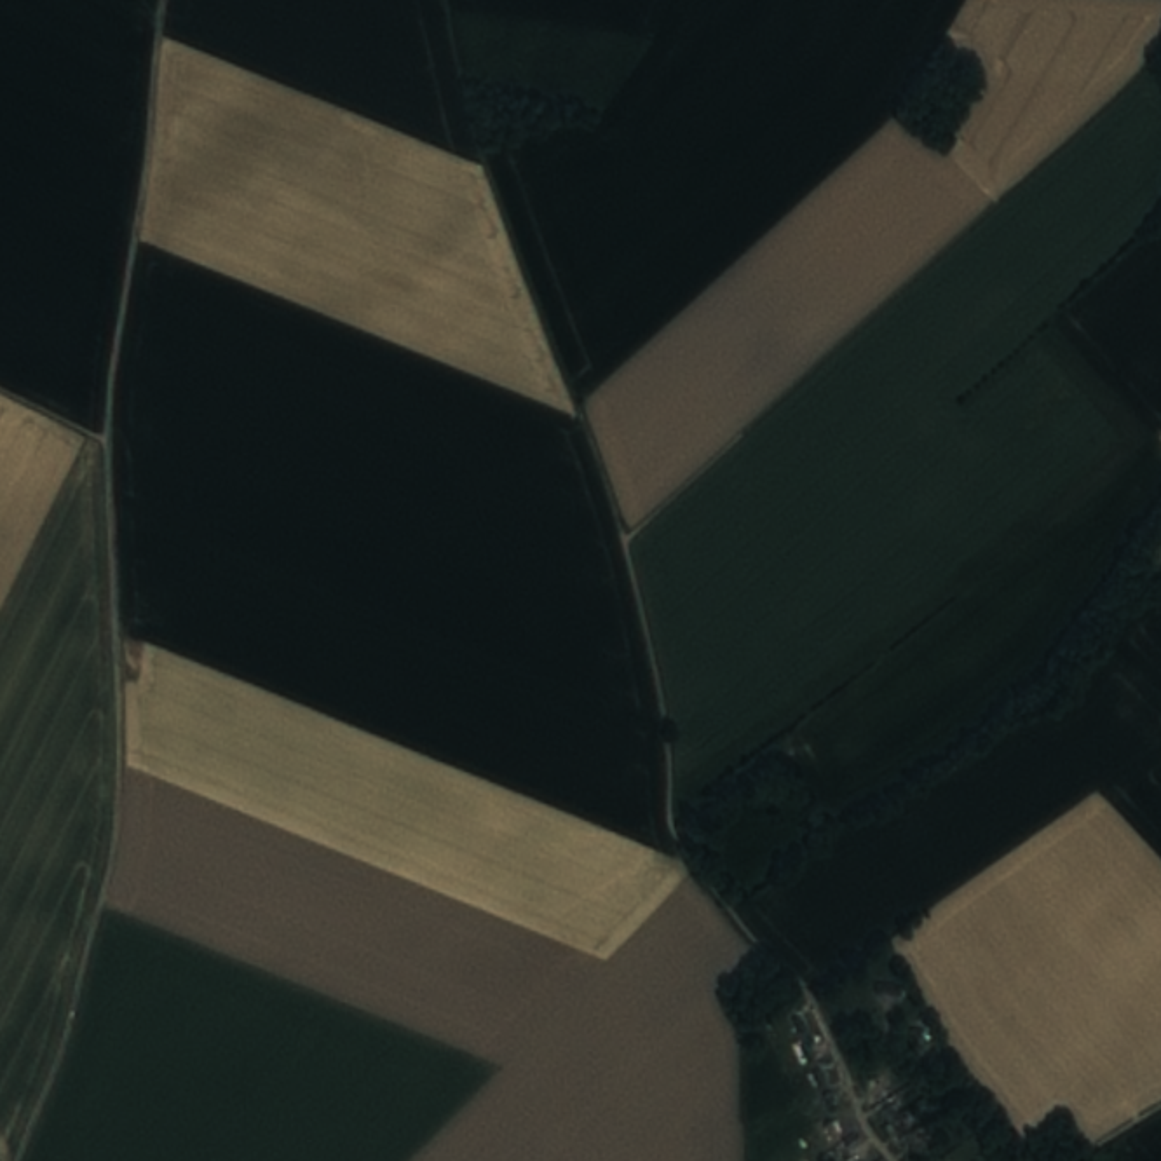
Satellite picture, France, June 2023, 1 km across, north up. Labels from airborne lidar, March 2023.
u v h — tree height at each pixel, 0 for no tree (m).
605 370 0
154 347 0
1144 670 0
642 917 0
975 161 0
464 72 0
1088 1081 0
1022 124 0
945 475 0
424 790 0
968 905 0
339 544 0
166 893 0
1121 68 0
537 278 0
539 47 0
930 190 0
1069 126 0
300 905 0
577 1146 0
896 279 0
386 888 0
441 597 0
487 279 0
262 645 0
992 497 0
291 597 0
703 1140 0
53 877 0
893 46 0
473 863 0
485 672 0
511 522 0
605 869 0
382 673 0
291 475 0
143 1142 0
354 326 0
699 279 0
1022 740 0
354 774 0
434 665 0
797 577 0
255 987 0
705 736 0
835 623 0
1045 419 0
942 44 12
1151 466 0
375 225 0
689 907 0
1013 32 0
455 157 0
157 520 0
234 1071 0
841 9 0
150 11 0
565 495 0
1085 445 0
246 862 0
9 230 0
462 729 0
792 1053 0
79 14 0
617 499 0
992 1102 14
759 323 0
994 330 0
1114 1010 0
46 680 0
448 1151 0
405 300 0
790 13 0
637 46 0
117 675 0
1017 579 0
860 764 0
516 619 0
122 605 0
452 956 0
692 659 0
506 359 0
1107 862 0
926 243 0
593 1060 0
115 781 0
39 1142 0
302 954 0
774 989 26
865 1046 16
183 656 0
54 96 0
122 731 0
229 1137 0
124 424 0
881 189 0
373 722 0
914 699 0
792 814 0
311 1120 0
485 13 0
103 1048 0
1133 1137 0
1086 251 0
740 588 0
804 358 0
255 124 0
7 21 0
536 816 0
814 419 0
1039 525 0
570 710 0
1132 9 0
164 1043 0
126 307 0
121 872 0
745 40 0
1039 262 0
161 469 0
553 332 0
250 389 0
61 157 0
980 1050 0
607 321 0
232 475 0
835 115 0
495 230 0
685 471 0
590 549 0
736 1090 0
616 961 0
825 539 0
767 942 0
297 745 0
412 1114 0
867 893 0
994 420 0
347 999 0
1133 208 0
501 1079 0
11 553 0
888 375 0
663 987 0
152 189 0
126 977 0
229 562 0
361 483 0
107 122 0
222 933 0
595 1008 0
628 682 0
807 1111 0
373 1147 0
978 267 0
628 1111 0
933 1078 18
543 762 0
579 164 0
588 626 0
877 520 0
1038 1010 0
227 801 0
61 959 0
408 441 0
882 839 0
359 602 0
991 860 0
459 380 0
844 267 0
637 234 0
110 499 0
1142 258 0
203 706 0
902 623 0
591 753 0
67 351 0
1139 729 0
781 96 0
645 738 0
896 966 13
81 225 0
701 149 0
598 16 0
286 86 0
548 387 0
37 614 0
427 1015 0
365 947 0
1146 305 0
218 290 0
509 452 0
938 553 0
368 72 0
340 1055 0
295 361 0
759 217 0
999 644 0
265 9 0
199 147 0
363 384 0
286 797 0
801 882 0
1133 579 15
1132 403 0
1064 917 0
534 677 0
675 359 0
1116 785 0
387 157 0
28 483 0
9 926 0
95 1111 0
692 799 0
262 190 0
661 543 0
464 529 0
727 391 0
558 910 0
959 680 0
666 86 0
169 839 0
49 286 0
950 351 0
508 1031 0
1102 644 21
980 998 0
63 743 0
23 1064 0
